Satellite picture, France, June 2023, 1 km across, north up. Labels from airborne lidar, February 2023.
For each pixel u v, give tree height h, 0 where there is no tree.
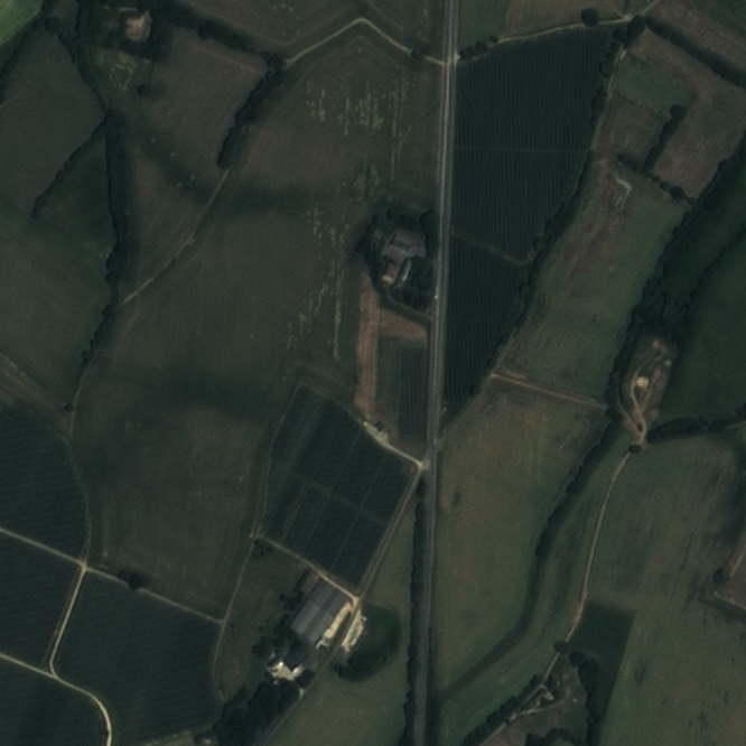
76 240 0
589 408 0
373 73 0
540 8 0
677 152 0
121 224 18
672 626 0
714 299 0
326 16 0
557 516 10
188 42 0
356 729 0
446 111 0
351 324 0
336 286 0
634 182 0
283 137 0
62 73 0
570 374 0
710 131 0
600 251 0
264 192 0
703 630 0
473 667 0
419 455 0
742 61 0
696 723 0
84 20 16
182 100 0
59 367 0
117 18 0
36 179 0
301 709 0
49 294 0
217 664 0
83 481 0
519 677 0
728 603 0
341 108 0
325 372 0
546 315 0
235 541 0
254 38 0
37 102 0
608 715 0
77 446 0
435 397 0
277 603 0
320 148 0
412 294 9
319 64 0
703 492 0
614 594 0
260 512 0
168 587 0
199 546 0
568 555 0
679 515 0
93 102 0
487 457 0
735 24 0
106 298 0
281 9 0
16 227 0
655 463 0
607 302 0
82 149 10
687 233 15
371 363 0
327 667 0
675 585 0
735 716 0
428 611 0
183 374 0
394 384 0
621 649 0
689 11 0
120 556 0
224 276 0
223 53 0
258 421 0
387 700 0
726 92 0
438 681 0
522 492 0
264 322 0
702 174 0
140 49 17
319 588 0
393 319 0
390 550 0
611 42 0
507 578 0
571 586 0
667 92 0
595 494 0
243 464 0
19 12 0
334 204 0
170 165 0
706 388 0
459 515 0
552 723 0
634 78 0
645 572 0
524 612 0
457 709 0
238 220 0
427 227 18
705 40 0
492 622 0
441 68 0
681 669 0
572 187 0
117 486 0
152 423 0
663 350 0
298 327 0
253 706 18
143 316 0
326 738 0
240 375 0
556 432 0
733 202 0
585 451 0
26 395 0
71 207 0
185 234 0
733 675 0
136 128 0
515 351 0
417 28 0
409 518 0
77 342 0
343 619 0
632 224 0
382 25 0
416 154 0
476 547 0
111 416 0
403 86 0
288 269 0
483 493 0
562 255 0
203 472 0
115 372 0
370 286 0
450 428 0
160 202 0
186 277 0
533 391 0
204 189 0
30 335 0
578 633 0
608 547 0
